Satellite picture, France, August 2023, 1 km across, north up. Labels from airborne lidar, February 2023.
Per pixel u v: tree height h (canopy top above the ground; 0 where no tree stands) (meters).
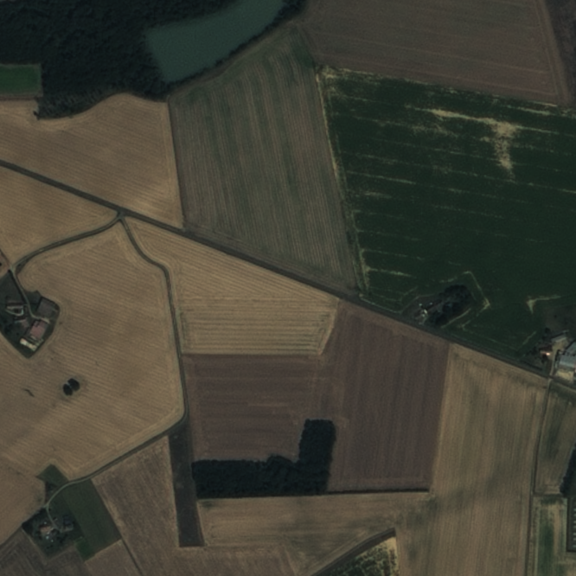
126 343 0
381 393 0
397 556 0
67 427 0
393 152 0
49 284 0
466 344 0
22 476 0
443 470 0
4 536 0
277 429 0
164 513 0
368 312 0
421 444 0
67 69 17
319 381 0
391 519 0
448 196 0
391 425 0
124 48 18
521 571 0
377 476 0
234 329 0
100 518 0
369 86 0
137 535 0
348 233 0
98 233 0
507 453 0
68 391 15
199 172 0
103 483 0
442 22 0
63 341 0
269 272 0
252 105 0
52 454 0
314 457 17
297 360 0
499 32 0
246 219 0
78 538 0
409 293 0
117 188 0
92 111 0
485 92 0
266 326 0
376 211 0
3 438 0
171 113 0
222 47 0
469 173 0
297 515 0
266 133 0
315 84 0
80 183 0
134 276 0
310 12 0
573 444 0
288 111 0
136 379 0
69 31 16
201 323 0
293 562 0
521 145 0
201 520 0
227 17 0
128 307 0
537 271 0
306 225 0
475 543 0
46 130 0
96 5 21
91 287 0
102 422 0
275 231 0
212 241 0
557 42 0
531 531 0
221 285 0
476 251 0
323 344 0
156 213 0
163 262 0
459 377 0
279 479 17
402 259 0
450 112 0
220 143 0
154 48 0
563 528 0
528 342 0
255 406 0
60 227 0
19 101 0
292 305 0
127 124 0
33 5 18
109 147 0
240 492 16
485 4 0
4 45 19
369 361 0
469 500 0
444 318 13
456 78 0
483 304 0
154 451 0
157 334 0
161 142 0
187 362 0
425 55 0
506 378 0
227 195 0
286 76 0
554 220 0
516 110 0
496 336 0
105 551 0
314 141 0
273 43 0
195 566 0
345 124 0
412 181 0
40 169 0
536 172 0
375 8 0
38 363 0
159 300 0
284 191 0
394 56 0
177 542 0
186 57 0
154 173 0
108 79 14
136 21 19
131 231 0
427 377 0
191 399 0
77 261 0
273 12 0
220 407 0
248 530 0
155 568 0
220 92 0
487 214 0
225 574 0
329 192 0
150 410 0
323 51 0
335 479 0
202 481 13
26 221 0
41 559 0
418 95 0
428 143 0
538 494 0
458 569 0
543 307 0
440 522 0
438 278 0
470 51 0
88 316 0
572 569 0
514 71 0
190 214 0
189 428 0
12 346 0
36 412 0
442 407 0
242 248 0
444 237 0
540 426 0
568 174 0
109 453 0
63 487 0
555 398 0
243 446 0
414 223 0
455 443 0
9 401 0
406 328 0
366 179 0
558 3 0
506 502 0
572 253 0
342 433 0
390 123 0
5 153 0
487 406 0
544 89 0
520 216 0
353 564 0
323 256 0
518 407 0
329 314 0
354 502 0
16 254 0
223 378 0
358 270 0
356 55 0
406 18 0
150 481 0
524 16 0
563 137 0
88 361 0
